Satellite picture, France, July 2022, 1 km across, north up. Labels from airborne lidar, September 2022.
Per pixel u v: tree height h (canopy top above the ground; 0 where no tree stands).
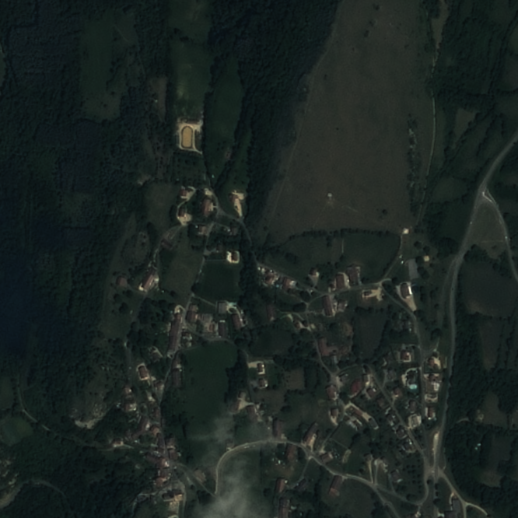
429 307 0
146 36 16
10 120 6
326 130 0
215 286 0
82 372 12
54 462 6
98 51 0
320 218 0
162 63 19
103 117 0
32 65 15
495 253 0
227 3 11
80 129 15
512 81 0
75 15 16
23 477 9
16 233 7
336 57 0
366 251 0
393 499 0
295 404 0
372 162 0
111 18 0
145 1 11
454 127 6
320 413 0
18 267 15
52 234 14
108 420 16
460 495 0
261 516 11
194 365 0
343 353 0
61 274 11
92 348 6
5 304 8
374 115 0
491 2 5
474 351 8
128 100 12
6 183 15
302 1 23
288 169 0
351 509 0
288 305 6
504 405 14
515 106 0
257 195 14
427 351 0
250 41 22
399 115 0
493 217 0
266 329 11
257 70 14
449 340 0
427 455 0
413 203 7
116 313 12
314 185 0
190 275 0
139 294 0
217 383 0
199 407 0
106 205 13
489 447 18
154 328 13
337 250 0
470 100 20
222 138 0
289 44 9
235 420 11
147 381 0
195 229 16
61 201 8
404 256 0
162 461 0
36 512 24
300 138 0
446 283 0
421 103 0
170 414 9
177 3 0
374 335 0
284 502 0
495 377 17
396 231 0
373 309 15
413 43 0
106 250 12
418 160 0
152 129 11
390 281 0
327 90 0
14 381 11
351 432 0
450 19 9
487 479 0
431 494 0
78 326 6
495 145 0
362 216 0
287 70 8
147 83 9
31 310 14
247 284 11
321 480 7
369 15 0
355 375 0
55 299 13
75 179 13
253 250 12
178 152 8
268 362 0
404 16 0
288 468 0
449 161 10
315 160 0
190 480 0
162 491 0
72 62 12
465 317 15
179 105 0
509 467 15
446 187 0
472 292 0
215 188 12
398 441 7
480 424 8
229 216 0
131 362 0
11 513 17
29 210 6
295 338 12
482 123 15
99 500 15
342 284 0
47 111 7
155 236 8
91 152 19
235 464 0
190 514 7
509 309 0
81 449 16
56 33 23
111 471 9
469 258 16
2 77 0
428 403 0
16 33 17
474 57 5
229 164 9
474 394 8
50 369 16
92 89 0
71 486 22
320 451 0
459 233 0
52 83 17
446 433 7
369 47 0
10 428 0
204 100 0
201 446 0
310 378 14
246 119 22
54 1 20
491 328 0
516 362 6
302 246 0
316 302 0
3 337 8
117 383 7
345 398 16
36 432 14
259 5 22
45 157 8
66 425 18
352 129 0
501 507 20
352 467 0
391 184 0
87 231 16
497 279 0
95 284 12
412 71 0
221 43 26
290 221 0
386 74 0
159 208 0
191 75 0
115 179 10
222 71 20
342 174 0
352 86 0
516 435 8
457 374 13
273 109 11
